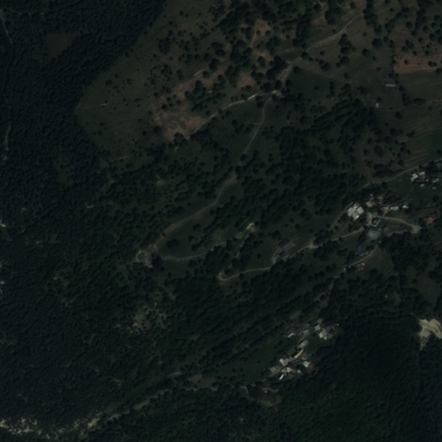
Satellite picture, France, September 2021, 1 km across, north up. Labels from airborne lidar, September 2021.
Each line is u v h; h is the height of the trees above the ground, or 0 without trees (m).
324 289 18
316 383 16
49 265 11
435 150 0
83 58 12
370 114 9
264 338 12
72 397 10
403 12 8
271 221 16
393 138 14
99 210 10
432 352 14
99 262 7
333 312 18
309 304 18
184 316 12
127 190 6
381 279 19
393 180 0
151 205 9
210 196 18
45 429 6
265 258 0
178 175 10
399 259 23
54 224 15
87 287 8
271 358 0
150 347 14
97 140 0
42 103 19
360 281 17
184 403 13
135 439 10
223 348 19
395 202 6
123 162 9
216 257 16
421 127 0
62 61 15
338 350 17
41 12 10
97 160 17
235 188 0
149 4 18
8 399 11
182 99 0
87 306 8
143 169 10
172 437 15
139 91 0
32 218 9
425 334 0
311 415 16
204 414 15
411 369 20
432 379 12
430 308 12
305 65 0
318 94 0
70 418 8
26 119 18
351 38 0
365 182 15
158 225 12
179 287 15
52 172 18
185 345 18
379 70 8
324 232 9
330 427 24
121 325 7
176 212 11
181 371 11
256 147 0
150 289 8
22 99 19
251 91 9
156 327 7
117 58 18
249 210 18
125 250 12
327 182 10
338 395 18
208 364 13
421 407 24
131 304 13
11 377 9
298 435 13
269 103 0
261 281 9
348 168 8
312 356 6
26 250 9
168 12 0
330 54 0
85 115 0
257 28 0
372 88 0
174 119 0
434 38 13
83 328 13
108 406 10
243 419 11
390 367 24
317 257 12
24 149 19
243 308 17
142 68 0
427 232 9
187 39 0
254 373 0
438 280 19
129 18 21
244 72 0
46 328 12
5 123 13
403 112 0
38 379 7
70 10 18
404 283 21
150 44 0
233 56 12
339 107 14
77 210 10
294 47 9
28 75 20
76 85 13
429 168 7
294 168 16
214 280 13
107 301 14
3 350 11
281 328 10
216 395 9
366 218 8
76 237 15
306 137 15
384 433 16
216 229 11
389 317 12
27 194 8
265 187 15
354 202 11
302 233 0
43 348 12
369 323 19
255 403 7
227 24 21
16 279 13
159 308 9
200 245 11
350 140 7
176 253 0
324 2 10
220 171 13
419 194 0
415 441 21
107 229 11
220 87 10
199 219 0
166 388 16
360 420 10
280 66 17
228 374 0
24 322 13
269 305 14
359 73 0
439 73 13
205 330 22
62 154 7
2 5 13
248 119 0
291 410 11
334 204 20
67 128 21
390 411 15
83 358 13
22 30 10
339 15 13
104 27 20
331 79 0
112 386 11
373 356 30
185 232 0
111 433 12
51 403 9
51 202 9
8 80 16
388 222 0
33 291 10
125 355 10
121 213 6
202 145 6
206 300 8
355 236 0
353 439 20
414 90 0
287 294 23
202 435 15
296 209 12
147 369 13
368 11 11
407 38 0
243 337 16
